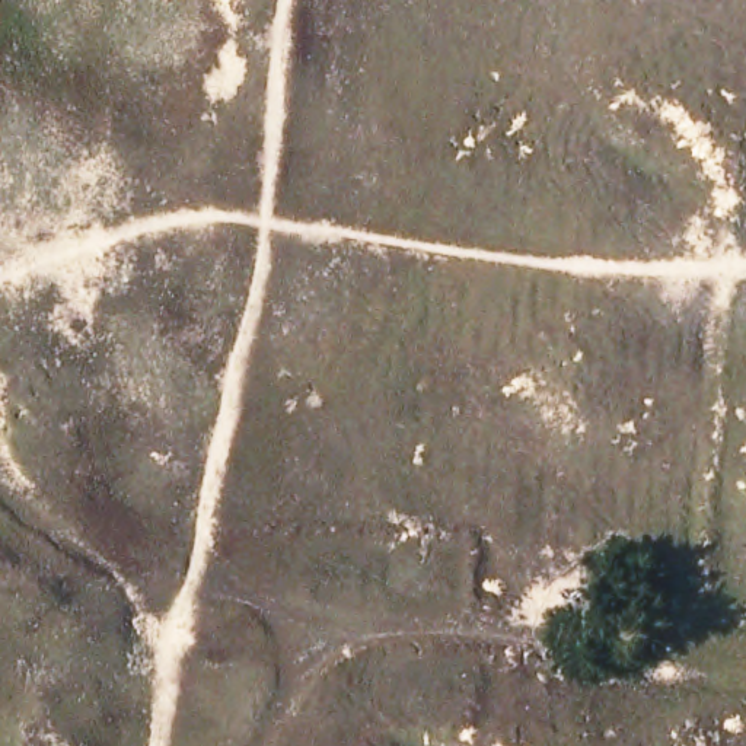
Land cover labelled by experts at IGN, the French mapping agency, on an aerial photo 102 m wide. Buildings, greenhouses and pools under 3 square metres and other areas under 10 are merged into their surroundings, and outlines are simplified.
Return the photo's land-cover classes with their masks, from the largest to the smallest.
<instances>
[{"label":"herbaceous vegetation","instance_id":"1","mask_svg":"<svg viewBox=\"0 0 746 746\"><path fill-rule=\"evenodd\" d=\"M38 9V0H0V117H9V105L20 102L29 108V119L41 128L44 122H58V128L76 137L79 146H108L114 152L119 175L131 184V207L140 219L207 207L256 213L262 195L259 160L265 146V125L254 114H239L227 99L207 96L204 82L219 67V52L227 41V23L219 32H201L198 47L187 52L184 64L175 67H152L143 61H131L125 58V52L114 50L105 32H93L87 26L85 38L67 52V64H61L52 55V47L41 41L38 23L29 17V12ZM629 90H635L638 96H664L670 105L685 108L694 122H705L711 128V146H720L737 160L734 239L740 248L746 251V0H294L291 52L286 73V122L274 187L277 219L329 221L385 236L484 248L501 254L589 256L615 224L635 221L638 201L659 210L661 204L676 198V192L661 175H647L641 166L629 160V149H618L609 143L615 131H621L624 125H635V119L644 114L632 105L609 111V102L618 93ZM714 286L708 280L699 283L691 300H661V280L580 277L568 271H545L434 254L414 256L402 248L361 245L350 239L303 242L300 236L271 233V271L245 364L239 420L233 428L224 481L216 504L213 548L207 554V568L195 592V641L181 656L178 667V699L169 746H746V612L740 615L731 635H708L702 644H691L688 653H682L673 664L696 667L699 679L661 682L653 676V670L641 673L638 679L609 676L597 685H577L562 673L560 664H554L548 644L542 638V627H513L510 612L525 600V594L536 583L554 580L545 568L542 548H554V565L560 571L565 568V551H574L583 560L592 551H603L618 536H670L676 545H694L702 571V592H723L746 606V277L734 283L729 309H714ZM533 370L571 390L577 414H583L586 420L583 434H562L557 428H548V423L527 396H504L507 382H513L516 376H530ZM393 510L411 516L420 525V530L396 551H388L390 536L405 530L388 522ZM64 423H73L76 437L73 449L67 452V498L73 507L70 522L108 560L119 562V571L146 597V609L163 618L184 586L195 542L187 533L181 536L175 530L169 513L154 516L152 510H137L114 495V487L125 475L114 452H122V446L128 443H137V431L125 420L119 396L108 393L105 411L87 405L55 411ZM140 635L134 632V612L125 592L117 586L108 568L96 565L70 542L55 539L32 510H26L17 501V495L9 487L0 484V746H149L154 691L149 676L128 670V653Z\"/></svg>","mask_w":746,"mask_h":746},{"label":"pervious surface","instance_id":"2","mask_svg":"<svg viewBox=\"0 0 746 746\"><path fill-rule=\"evenodd\" d=\"M294 0H277V15L268 29L271 67L265 93V146L259 160L262 195L256 213L207 207L140 219L131 207V184L119 175L114 152L108 146H99V152L90 160L70 166L55 189L58 198L70 195V213L58 216L44 210L32 216L17 210H0V484L9 487L17 495V501L26 510H32L55 539L70 542L96 565L108 568L117 586L125 592L134 612V632L140 635L128 653V670L149 676L154 691L149 746H169L178 699V667L181 656L195 641V592L207 568V554L213 548L216 504L224 481L233 428L239 420L245 364L271 271V233L300 236L303 242L350 239L361 245L402 248L414 256L434 254L545 271H568L580 277L661 280L699 283L708 280L714 286V309H729L734 283L746 277V251L740 248L734 254H717L708 262H615L589 256L501 254L484 248L385 236L329 221L277 219L274 187L286 122V73L291 52ZM108 393L119 396L125 420L137 431V443H128L122 446V452H114L125 475L114 487V495L137 510H152L154 516L169 513L175 530L181 536L187 533L195 542L184 586L163 618L146 609V597L119 571V562L108 560L70 522L73 507L67 498V452L73 449L76 437L73 423H64L55 411L87 405L105 411Z\"/></svg>","mask_w":746,"mask_h":746},{"label":"bare soil","instance_id":"3","mask_svg":"<svg viewBox=\"0 0 746 746\"><path fill-rule=\"evenodd\" d=\"M277 15V0H38V9L29 12V17L38 23L41 41L52 47V55L61 64H67V52L85 38L87 26L93 32H105L114 50L125 52V58L131 61H143L152 67H175L184 64L187 52L198 47L201 32H219L227 23V41L219 52V67L204 82L207 96L227 99L239 114H254L265 125V93L271 67L268 29ZM632 105L644 114L635 119V125H624L621 131H615L609 143L618 149H629V160L641 166L647 175H661L676 192V198L661 204L659 210L638 201L635 221L615 224L589 256L615 262H708L717 254H734L740 248L734 239L737 160L720 146H711V128L705 122H694L685 108L670 105L664 96H638L635 90H629L618 93L609 102V111ZM29 108L20 102L9 105V117H0V210H17L32 216L44 210L58 216L70 213V195L58 198L55 189L70 166L90 160L99 152V146H79L76 137L58 128V122H44L41 128L29 119ZM699 283L661 280V300H691ZM527 396L548 423V428H557L562 434H583L586 420L583 414H577L571 390L533 370L530 376H516L513 382H507L504 396ZM388 522L405 530L390 536L388 551H396L420 530V525L411 516L393 510ZM545 568L554 580L536 583L525 594V600L510 612L513 627H542L548 609H589V597L580 589L586 580L583 560L574 551H565V568L560 571L554 565V548H542ZM653 676L661 682L699 679L696 667L673 664L664 661L653 670Z\"/></svg>","mask_w":746,"mask_h":746},{"label":"deciduous trees","instance_id":"4","mask_svg":"<svg viewBox=\"0 0 746 746\"><path fill-rule=\"evenodd\" d=\"M586 580L580 589L589 597V609H548L542 627V638L548 644L554 664H560L562 673L577 685H597L609 676L638 679L641 673L653 670L664 661L673 664L682 653H688L691 644H702L708 635H731L740 615L746 612V606L723 592H702V571L694 545H676L670 536H618L603 551H592L583 560Z\"/></svg>","mask_w":746,"mask_h":746}]
</instances>
